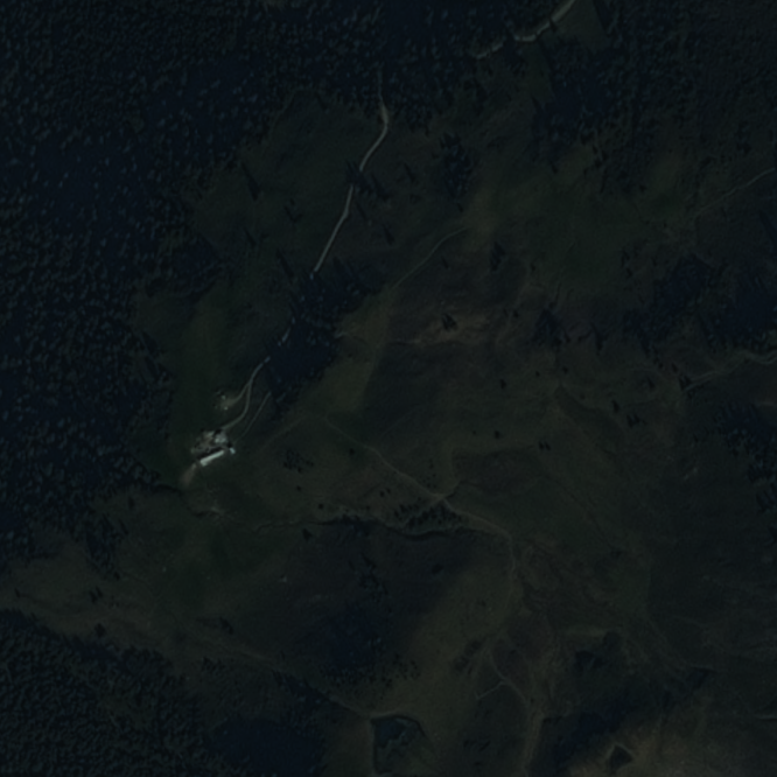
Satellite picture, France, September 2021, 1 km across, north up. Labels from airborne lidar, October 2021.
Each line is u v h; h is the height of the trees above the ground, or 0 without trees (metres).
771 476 15
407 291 0
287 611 0
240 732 0
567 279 0
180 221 16
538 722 0
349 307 0
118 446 18
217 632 0
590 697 0
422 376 0
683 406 0
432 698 0
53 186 12
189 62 20
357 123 0
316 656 0
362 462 0
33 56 30
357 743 0
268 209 0
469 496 0
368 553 0
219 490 0
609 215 0
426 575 0
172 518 0
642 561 0
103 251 7
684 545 0
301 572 0
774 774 0
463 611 0
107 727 16
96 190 19
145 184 6
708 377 0
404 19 9
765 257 0
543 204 0
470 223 0
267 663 0
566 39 0
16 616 0
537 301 0
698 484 0
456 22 8
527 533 0
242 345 0
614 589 0
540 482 0
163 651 0
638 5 8
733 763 0
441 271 0
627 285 0
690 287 6
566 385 0
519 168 0
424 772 0
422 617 0
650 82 6
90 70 20
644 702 0
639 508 0
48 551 0
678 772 0
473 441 0
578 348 0
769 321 6
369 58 13
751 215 0
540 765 0
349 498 0
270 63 11
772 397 0
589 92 7
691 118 6
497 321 0
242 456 0
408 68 6
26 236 23
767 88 8
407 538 0
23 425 7
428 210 0
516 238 0
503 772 0
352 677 6
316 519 0
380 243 0
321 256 0
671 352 0
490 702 0
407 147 0
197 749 15
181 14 17
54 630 0
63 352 31
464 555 0
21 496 11
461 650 0
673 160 0
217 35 18
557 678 0
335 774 0
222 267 8
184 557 0
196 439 0
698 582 0
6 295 22
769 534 0
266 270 0
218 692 0
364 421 0
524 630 0
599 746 0
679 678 0
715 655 0
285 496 0
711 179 0
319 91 11
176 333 0
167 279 10
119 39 19
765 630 0
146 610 0
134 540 0
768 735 0
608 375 0
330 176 0
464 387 0
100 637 11
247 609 0
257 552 0
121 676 10
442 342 0
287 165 0
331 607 0
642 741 0
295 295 0
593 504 0
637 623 0
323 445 0
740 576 0
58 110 18
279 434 0
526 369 0
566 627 0
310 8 28
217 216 0
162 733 6
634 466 0
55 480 15
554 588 0
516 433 0
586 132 10
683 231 0
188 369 0
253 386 0
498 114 0
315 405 0
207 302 0
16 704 24
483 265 0
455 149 12
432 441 0
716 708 0
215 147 11
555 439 0
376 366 0
